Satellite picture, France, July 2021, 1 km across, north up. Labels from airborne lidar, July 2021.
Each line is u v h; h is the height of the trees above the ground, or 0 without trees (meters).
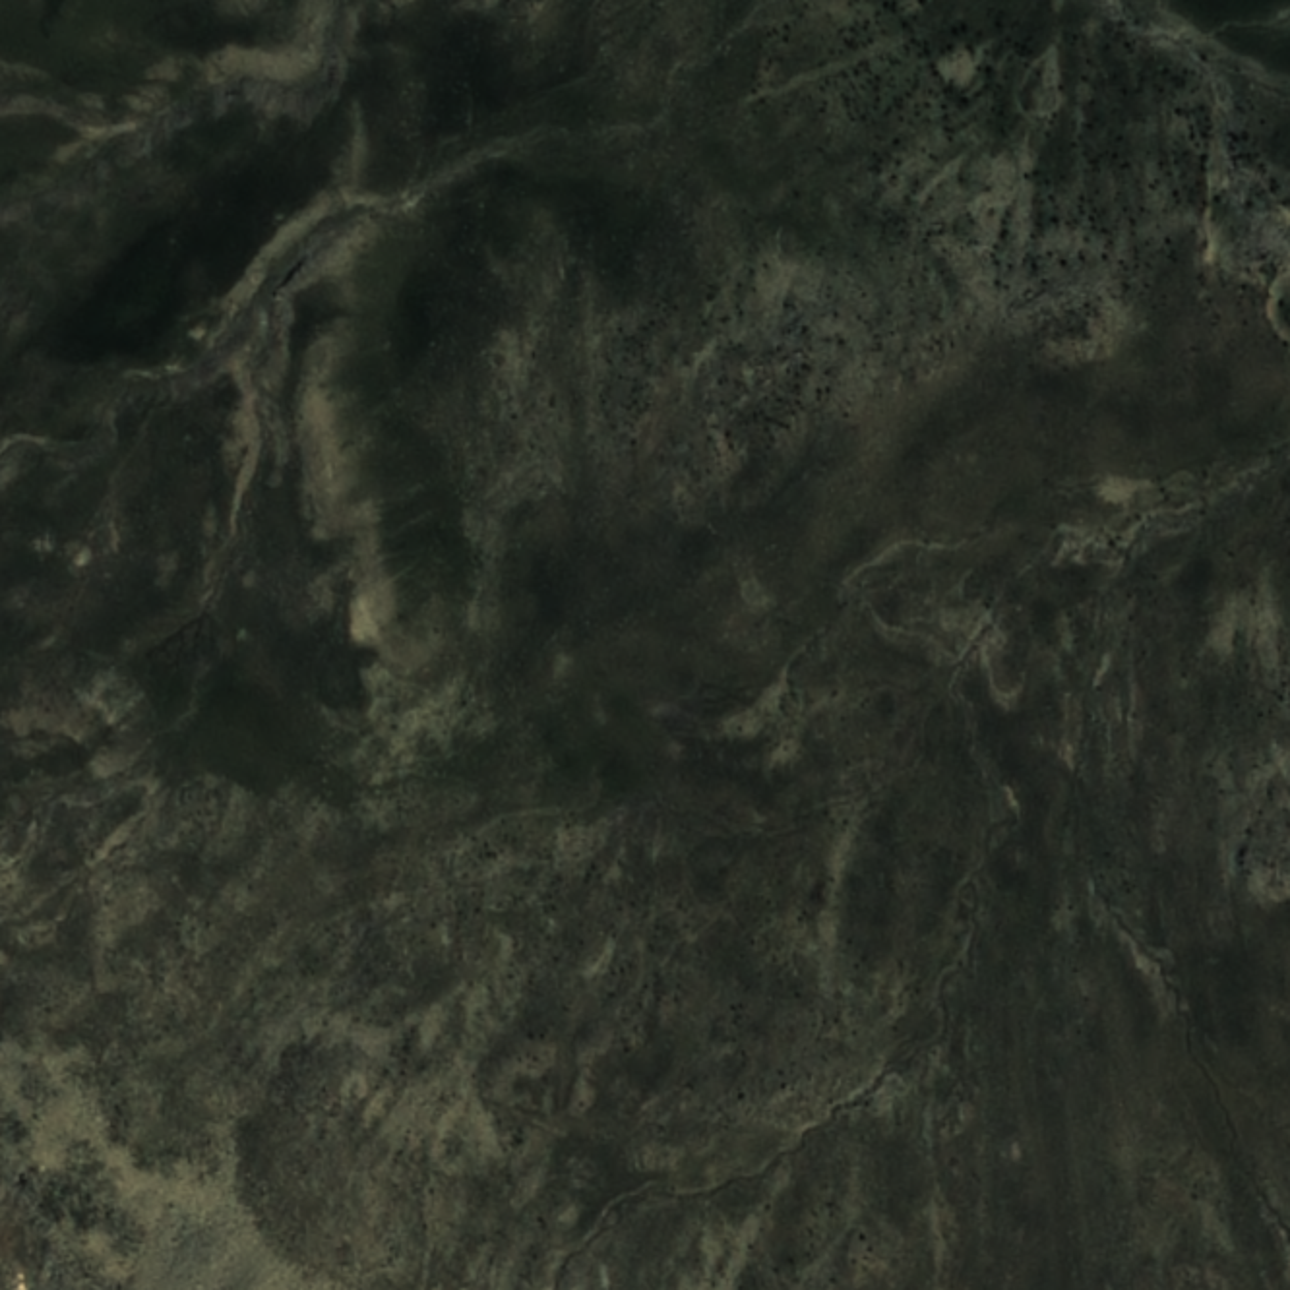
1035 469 0
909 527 0
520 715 0
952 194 0
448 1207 0
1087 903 0
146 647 0
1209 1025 0
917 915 0
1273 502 0
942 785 0
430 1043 0
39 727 0
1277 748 0
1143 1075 0
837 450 0
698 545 0
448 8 0
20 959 0
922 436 0
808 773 0
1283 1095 0
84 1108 0
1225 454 0
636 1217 0
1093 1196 0
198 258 0
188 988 0
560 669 0
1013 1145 0
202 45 0
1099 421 0
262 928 0
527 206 0
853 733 0
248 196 0
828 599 0
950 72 0
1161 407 0
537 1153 0
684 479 0
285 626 0
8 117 0
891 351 0
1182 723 0
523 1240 0
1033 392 0
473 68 0
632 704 0
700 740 0
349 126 0
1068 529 0
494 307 0
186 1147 0
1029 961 0
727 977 0
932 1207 0
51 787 0
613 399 0
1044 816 0
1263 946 0
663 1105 0
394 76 0
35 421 0
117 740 0
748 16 0
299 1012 0
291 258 0
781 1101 0
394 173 0
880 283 0
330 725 0
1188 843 0
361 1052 0
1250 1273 0
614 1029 0
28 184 0
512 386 0
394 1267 0
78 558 0
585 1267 0
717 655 0
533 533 0
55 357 0
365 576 0
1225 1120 0
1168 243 6
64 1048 0
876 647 0
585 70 0
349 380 0
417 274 0
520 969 0
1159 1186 0
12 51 0
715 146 0
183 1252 0
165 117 0
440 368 0
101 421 0
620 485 0
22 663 0
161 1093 0
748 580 0
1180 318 0
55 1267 0
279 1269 0
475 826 0
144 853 0
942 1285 0
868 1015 0
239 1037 0
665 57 0
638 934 0
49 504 0
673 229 0
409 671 0
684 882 0
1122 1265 0
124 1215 0
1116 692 0
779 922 0
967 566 0
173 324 0
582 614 0
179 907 0
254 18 0
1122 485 0
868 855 0
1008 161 0
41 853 0
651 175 0
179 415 0
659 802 0
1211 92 0
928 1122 0
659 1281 0
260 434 0
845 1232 0
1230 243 0
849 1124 0
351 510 0
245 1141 0
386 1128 0
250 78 0
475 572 0
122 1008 0
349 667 0
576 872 0
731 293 0
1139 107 0
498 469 0
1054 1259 0
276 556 0
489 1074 0
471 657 0
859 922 0
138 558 0
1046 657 0
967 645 0
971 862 0
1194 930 0
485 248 0
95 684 0
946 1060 0
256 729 0
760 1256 0
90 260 0
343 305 0
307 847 0
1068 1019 0
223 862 0
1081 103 0
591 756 0
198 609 0
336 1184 0
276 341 0
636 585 0
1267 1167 0
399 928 0
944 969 0
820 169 0
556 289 0
